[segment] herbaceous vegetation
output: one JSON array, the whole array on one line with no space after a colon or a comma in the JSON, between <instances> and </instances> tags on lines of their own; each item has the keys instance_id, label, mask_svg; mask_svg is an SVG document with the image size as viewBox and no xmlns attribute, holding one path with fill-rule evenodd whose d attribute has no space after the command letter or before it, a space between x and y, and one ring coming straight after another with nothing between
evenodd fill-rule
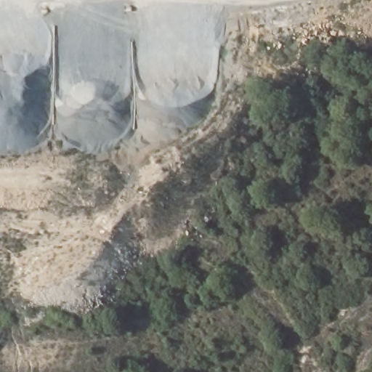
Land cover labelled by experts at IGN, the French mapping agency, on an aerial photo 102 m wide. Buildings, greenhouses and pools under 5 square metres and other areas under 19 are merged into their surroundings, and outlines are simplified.
<instances>
[{"instance_id":1,"label":"herbaceous vegetation","mask_svg":"<svg viewBox=\"0 0 372 372\"><path fill-rule=\"evenodd\" d=\"M106 211L118 198L118 193L124 189L125 176L119 173L118 167L112 161L97 160L96 155L78 150L77 154L73 154L76 169L67 171L65 179L77 183L81 189L89 189L87 176L92 170L89 166L99 166L103 179L108 180L108 195L99 187L96 192L96 203L102 211Z\"/></svg>"},{"instance_id":2,"label":"herbaceous vegetation","mask_svg":"<svg viewBox=\"0 0 372 372\"><path fill-rule=\"evenodd\" d=\"M36 307L32 301L20 296L19 283L13 278L15 264L12 264L12 256L16 254L19 257L25 248L38 247L41 234L29 234L15 228L0 232L0 350L12 343L25 344L29 347L29 343L36 339L36 336L35 325L41 321L44 312L39 312L39 308Z\"/></svg>"},{"instance_id":3,"label":"herbaceous vegetation","mask_svg":"<svg viewBox=\"0 0 372 372\"><path fill-rule=\"evenodd\" d=\"M298 42L299 33L279 38L280 48L275 48L272 42L259 41L257 49L272 60L270 67L276 74L299 68L301 62L301 46L304 44Z\"/></svg>"},{"instance_id":4,"label":"herbaceous vegetation","mask_svg":"<svg viewBox=\"0 0 372 372\"><path fill-rule=\"evenodd\" d=\"M231 141L243 144L259 129L259 126L250 122L250 105L247 103L244 103L240 112L235 112L231 116L230 125L221 132L208 153L187 158L180 169L170 173L163 182L157 182L151 187L148 195L150 198L147 201L142 201L141 205L134 205L125 212L124 217L129 219L135 228L138 228L139 219L147 219L148 228L141 232L142 240L170 237L179 227L180 219L189 217L189 212L186 211L189 208L187 199L193 193L208 192L215 182L227 176L228 163L232 161Z\"/></svg>"}]
</instances>

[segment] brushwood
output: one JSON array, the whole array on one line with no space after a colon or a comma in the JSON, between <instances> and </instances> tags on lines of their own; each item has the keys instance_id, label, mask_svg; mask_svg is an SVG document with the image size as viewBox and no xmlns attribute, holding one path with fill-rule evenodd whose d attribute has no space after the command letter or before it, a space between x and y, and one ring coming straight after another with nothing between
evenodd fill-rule
<instances>
[{"instance_id":1,"label":"brushwood","mask_svg":"<svg viewBox=\"0 0 372 372\"><path fill-rule=\"evenodd\" d=\"M323 153L315 134L317 113L310 102L307 64L301 62L299 68L276 74L275 77L270 87L275 90L283 89L289 94L288 121L304 129L302 135L307 138L308 144L298 150L301 164L291 182L273 179L267 183L267 186L276 189L276 205L266 203L263 208L266 214L256 217L254 230L266 234L264 243L267 247L266 253L270 256L269 262L278 263L278 260L282 259L283 247L289 246L282 230L286 224L292 224L292 217L286 214L282 206L285 203L294 203L292 211L299 214L304 206L308 208L308 205L315 203L320 209L327 206L339 211L336 221L340 224L340 232L352 235L362 228L366 231L365 237L371 241L371 246L368 251L359 248L359 256L368 262L368 270L363 275L365 278L372 278L372 224L365 214L365 206L356 198L360 190L365 190L372 201L372 167L357 166L356 169L343 169L336 167L333 161L324 163L318 160Z\"/></svg>"},{"instance_id":2,"label":"brushwood","mask_svg":"<svg viewBox=\"0 0 372 372\"><path fill-rule=\"evenodd\" d=\"M343 334L350 337L362 334L362 349L372 349L372 295L366 296L365 301L357 307L344 308L346 312L343 317L339 315L337 320L321 325L320 330L323 341L333 333L340 339Z\"/></svg>"},{"instance_id":3,"label":"brushwood","mask_svg":"<svg viewBox=\"0 0 372 372\"><path fill-rule=\"evenodd\" d=\"M238 372L272 372L266 365L266 362L269 362L269 355L264 352L262 343L259 343L251 356L241 363Z\"/></svg>"},{"instance_id":4,"label":"brushwood","mask_svg":"<svg viewBox=\"0 0 372 372\"><path fill-rule=\"evenodd\" d=\"M234 362L231 359L219 360L217 347L212 343L214 339L228 331L232 340L232 352L244 353L246 347L241 340L241 327L247 328L250 336L260 339L262 336L267 337L275 328L273 324L279 320L286 325L289 323L272 296L257 286L253 275L246 267L228 260L237 244L222 235L215 235L214 231L205 227L198 231L190 221L186 222L189 235L180 237L179 248L182 250L186 246L202 247L202 256L199 257L202 269L208 269L209 264L217 263L218 260L225 267L230 267L231 291L238 299L238 311L232 310L230 305L211 312L196 311L183 324L174 327L167 325L163 334L155 331L150 324L147 330L135 333L134 336L128 331L121 336L106 334L102 337L90 337L86 328L78 331L76 324L64 330L62 327L48 327L41 321L35 325L36 336L39 339L64 340L64 346L58 350L54 362L48 363L42 372L106 372L108 357L115 360L119 356L139 356L139 352L147 350L148 344L154 344L155 357L163 360L173 372L183 372L185 368L195 369L198 366L196 355L206 356L214 362L214 368L209 372L235 372L232 371Z\"/></svg>"}]
</instances>

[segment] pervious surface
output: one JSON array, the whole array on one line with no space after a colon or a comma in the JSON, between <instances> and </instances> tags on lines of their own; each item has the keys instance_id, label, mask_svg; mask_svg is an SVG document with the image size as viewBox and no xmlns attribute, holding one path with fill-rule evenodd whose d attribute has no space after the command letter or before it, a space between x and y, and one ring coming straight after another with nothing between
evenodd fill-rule
<instances>
[{"instance_id":1,"label":"pervious surface","mask_svg":"<svg viewBox=\"0 0 372 372\"><path fill-rule=\"evenodd\" d=\"M48 363L54 362L58 350L64 346L64 340L39 339L36 336L36 339L29 343L29 347L25 344L12 343L0 350L0 372L42 372Z\"/></svg>"},{"instance_id":2,"label":"pervious surface","mask_svg":"<svg viewBox=\"0 0 372 372\"><path fill-rule=\"evenodd\" d=\"M349 36L356 44L363 44L366 39L372 38L372 0L0 0L0 232L15 228L29 234L41 234L38 247L25 248L19 257L16 254L12 256L12 264L15 264L13 278L19 283L20 296L32 301L36 307L58 305L81 317L92 311L92 308L99 308L102 302L105 305L109 304L110 298L116 294L116 289L121 291L124 280L128 279L129 273L138 266L144 254L154 257L164 248L179 248L180 237L189 235L186 222L190 221L189 217L180 219L179 227L170 237L142 240L141 232L148 228L147 219L139 219L138 228L135 228L129 219L124 217L125 212L134 205L141 205L142 201L147 201L150 198L148 195L151 187L157 182L163 182L170 173L180 169L187 158L208 153L221 132L230 125L231 116L235 112L240 112L244 103L247 103L246 93L250 92L254 81L269 74L275 77L276 74L270 67L272 60L257 49L259 41L272 42L275 48L280 48L279 38L299 33L298 42L304 44L320 38L323 44L328 44L333 36ZM118 198L106 211L102 211L96 203L96 192L99 187L108 195L108 180L103 179L99 166L89 166L92 170L87 176L89 189L81 189L77 183L65 179L67 171L76 169L73 154L77 154L78 150L96 155L97 160L112 161L118 167L119 173L125 176L124 189L118 193Z\"/></svg>"}]
</instances>

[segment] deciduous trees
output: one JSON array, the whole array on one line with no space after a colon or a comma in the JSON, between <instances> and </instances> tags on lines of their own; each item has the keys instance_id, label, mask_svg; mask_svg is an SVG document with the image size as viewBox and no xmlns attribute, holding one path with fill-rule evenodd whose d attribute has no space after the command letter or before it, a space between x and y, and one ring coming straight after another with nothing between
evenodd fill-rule
<instances>
[{"instance_id":1,"label":"deciduous trees","mask_svg":"<svg viewBox=\"0 0 372 372\"><path fill-rule=\"evenodd\" d=\"M315 134L323 153L318 160L324 163L333 161L336 167L343 169L356 169L357 166L372 167L372 38L366 39L363 44L356 44L349 36L333 36L328 44L323 44L320 38L304 44L301 46L301 62L307 64L310 102L317 113Z\"/></svg>"},{"instance_id":2,"label":"deciduous trees","mask_svg":"<svg viewBox=\"0 0 372 372\"><path fill-rule=\"evenodd\" d=\"M195 369L185 368L183 372L209 372L214 368L214 362L206 356L196 355L198 366Z\"/></svg>"},{"instance_id":3,"label":"deciduous trees","mask_svg":"<svg viewBox=\"0 0 372 372\"><path fill-rule=\"evenodd\" d=\"M275 77L269 74L254 81L250 92L246 93L247 103L250 105L250 122L259 126L259 129L243 144L231 141L232 161L228 163L227 176L215 182L208 192L193 193L187 199L189 208L186 211L189 212L189 217L190 221L198 231L205 227L214 231L215 235L222 235L237 244L228 260L246 267L253 275L257 286L272 296L289 323L286 325L279 320L273 324L275 328L267 337L262 336L260 339L250 336L247 328L241 327L241 340L246 347L244 353L232 352L232 340L228 331L214 339L212 343L217 347L219 360L231 359L234 362L232 371L235 372L238 372L241 363L251 356L259 343L262 343L264 352L269 355L269 362L266 362L266 365L272 372L372 372L372 349L362 349L362 334L350 337L343 334L340 339L333 333L323 341L320 330L321 325L337 320L339 315L343 317L346 312L344 308L357 307L365 301L366 296L372 295L372 278L365 278L363 275L368 270L368 262L359 256L359 248L368 251L371 246L371 241L365 237L366 231L362 228L352 235L340 232L340 224L336 221L339 211L327 206L320 209L315 203L308 205L308 208L304 206L299 214L292 211L294 203L285 203L282 206L286 214L292 217L292 224L286 224L282 230L289 246L283 247L282 259L278 260L278 263L269 262L270 256L266 253L267 247L264 243L266 234L254 230L256 217L266 214L263 208L266 203L276 205L276 189L267 186L267 183L273 179L291 182L301 164L298 150L308 144L307 138L302 135L304 129L288 121L289 94L283 89L275 90L270 87Z\"/></svg>"},{"instance_id":4,"label":"deciduous trees","mask_svg":"<svg viewBox=\"0 0 372 372\"><path fill-rule=\"evenodd\" d=\"M183 324L196 311L211 312L230 305L232 310L238 311L238 299L231 291L230 267L225 267L218 260L217 263L209 264L208 269L202 269L199 257L202 256L202 247L186 246L182 250L179 248L164 248L154 257L144 254L138 266L129 273L128 279L124 280L121 291L116 289L116 294L110 298L109 304L105 305L102 302L99 308L92 308L92 311L81 317L58 305L36 307L39 308L39 312L44 312L41 321L48 327L62 327L64 330L76 324L78 331L86 328L90 337L102 337L106 334L121 336L128 331L134 336L135 333L147 330L150 324L155 331L163 334L167 325L174 327Z\"/></svg>"},{"instance_id":5,"label":"deciduous trees","mask_svg":"<svg viewBox=\"0 0 372 372\"><path fill-rule=\"evenodd\" d=\"M119 356L115 360L108 357L106 372L173 372L163 360L155 357L154 344L148 344L147 350L139 352L139 356Z\"/></svg>"},{"instance_id":6,"label":"deciduous trees","mask_svg":"<svg viewBox=\"0 0 372 372\"><path fill-rule=\"evenodd\" d=\"M365 190L360 190L356 198L365 206L365 214L372 224L372 201Z\"/></svg>"}]
</instances>

